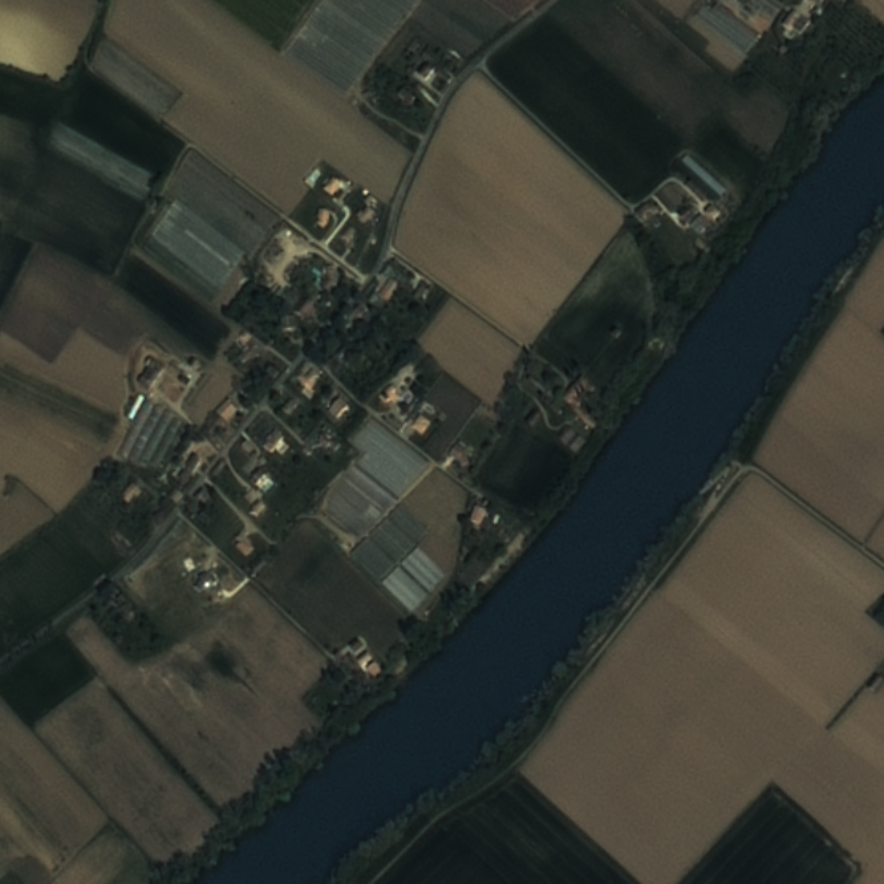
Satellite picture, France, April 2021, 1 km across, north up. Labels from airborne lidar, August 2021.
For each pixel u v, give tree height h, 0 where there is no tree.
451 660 0
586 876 0
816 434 0
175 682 0
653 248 6
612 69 0
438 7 0
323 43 0
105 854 0
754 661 0
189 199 0
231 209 0
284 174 0
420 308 11
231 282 0
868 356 0
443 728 0
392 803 0
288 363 0
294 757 13
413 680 0
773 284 0
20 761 0
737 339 0
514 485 0
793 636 0
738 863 0
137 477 10
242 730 0
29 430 0
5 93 0
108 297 0
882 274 0
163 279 0
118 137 0
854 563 0
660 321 12
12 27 0
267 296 17
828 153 0
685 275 14
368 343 16
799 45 8
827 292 14
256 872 0
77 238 0
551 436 0
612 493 0
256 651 0
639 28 0
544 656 0
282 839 0
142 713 0
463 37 0
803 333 8
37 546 0
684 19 0
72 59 0
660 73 0
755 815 0
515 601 0
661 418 0
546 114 0
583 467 6
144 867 0
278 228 0
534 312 0
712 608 0
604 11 0
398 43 0
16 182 0
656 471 0
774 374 13
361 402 13
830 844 0
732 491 0
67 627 0
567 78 0
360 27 0
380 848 29
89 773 0
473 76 0
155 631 7
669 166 0
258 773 0
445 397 0
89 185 0
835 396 0
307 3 0
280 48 0
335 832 0
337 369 17
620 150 0
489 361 0
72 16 0
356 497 0
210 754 0
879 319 0
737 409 0
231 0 0
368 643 0
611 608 14
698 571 0
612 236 0
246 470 0
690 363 0
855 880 0
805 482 0
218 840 17
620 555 0
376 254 0
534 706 13
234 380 8
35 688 0
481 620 0
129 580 0
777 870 0
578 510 0
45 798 0
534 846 0
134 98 0
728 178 0
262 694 0
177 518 0
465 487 0
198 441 10
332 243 0
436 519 0
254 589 0
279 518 0
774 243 0
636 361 11
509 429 15
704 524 0
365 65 0
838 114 11
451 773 0
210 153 0
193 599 0
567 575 0
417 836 0
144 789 0
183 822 0
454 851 0
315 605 0
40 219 0
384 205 0
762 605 0
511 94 0
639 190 0
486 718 0
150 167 0
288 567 0
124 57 0
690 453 0
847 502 0
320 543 0
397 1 0
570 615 0
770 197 21
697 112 0
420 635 18
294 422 12
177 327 0
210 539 0
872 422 0
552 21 0
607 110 0
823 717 0
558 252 0
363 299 12
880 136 0
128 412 0
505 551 9
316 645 0
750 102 0
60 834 0
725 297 0
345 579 0
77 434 0
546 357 0
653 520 0
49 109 0
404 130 0
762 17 0
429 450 0
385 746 0
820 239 0
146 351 0
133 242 0
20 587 0
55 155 0
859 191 0
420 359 20
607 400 15
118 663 0
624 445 0
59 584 0
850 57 7
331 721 9
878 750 0
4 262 0
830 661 0
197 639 0
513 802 0
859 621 0
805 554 0
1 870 0
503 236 0
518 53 0
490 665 0
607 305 0
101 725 0
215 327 0
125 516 6
